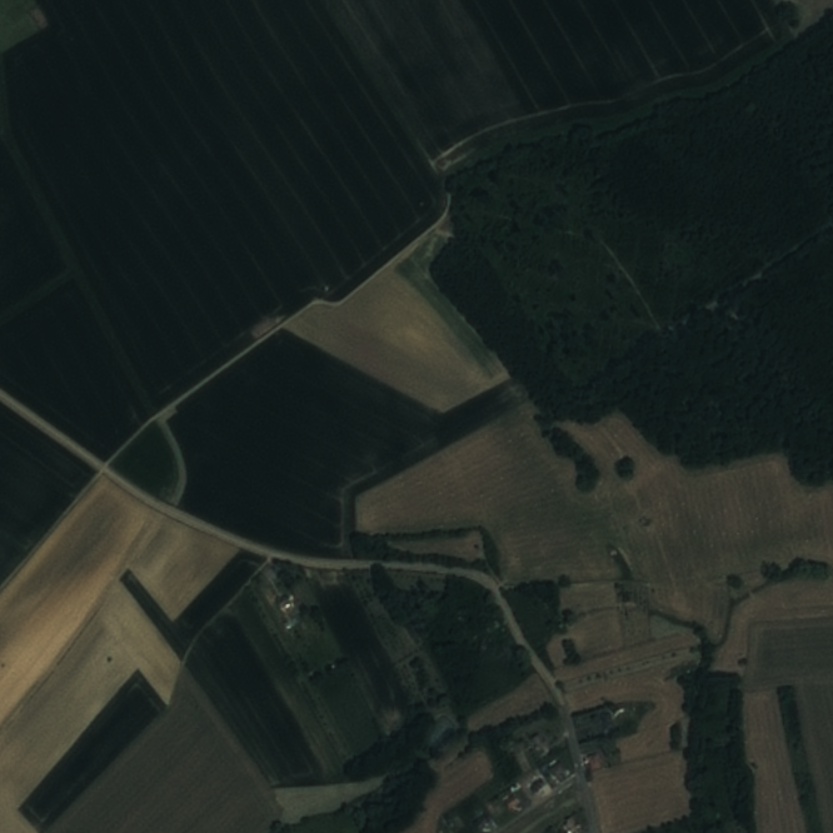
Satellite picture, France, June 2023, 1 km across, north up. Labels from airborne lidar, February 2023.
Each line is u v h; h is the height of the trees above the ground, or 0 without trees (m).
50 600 0
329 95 0
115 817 0
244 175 0
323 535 0
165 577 0
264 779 0
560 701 0
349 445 0
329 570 0
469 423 0
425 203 0
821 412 21
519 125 0
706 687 14
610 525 0
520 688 0
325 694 0
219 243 0
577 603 0
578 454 17
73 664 0
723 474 0
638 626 0
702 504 0
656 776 0
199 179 0
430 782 20
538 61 0
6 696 0
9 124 0
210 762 0
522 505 0
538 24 0
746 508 0
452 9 0
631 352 0
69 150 0
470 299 13
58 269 0
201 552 0
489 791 0
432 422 0
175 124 0
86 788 0
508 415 0
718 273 0
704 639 11
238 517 0
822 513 0
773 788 0
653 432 22
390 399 0
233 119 0
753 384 27
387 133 0
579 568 0
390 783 11
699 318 27
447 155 0
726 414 24
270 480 0
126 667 0
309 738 0
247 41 0
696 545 0
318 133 0
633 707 0
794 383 25
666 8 0
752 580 0
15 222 0
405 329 0
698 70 0
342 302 0
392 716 0
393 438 0
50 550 0
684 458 15
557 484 0
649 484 0
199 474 0
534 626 0
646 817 0
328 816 0
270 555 0
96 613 0
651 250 0
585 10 0
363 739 0
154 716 0
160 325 0
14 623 0
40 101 0
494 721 0
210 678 0
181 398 0
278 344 0
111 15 0
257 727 0
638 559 0
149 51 0
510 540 0
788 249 14
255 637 0
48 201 0
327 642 0
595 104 0
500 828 0
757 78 16
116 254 0
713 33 0
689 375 27
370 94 0
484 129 0
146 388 0
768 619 0
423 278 0
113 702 0
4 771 0
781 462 0
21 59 0
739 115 19
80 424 0
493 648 7
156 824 0
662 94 0
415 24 0
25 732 0
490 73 0
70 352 0
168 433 0
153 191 0
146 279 0
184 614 0
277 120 0
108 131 0
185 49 0
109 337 0
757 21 0
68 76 0
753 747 0
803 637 0
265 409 0
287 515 0
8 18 0
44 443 0
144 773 0
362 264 0
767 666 0
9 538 0
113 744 0
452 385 0
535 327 15
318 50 0
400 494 0
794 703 7
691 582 0
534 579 0
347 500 0
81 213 0
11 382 0
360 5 0
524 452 0
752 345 26
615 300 25
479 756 0
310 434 0
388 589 16
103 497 0
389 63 0
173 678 0
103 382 0
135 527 0
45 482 0
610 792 0
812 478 22
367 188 0
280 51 0
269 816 0
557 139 8
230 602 0
